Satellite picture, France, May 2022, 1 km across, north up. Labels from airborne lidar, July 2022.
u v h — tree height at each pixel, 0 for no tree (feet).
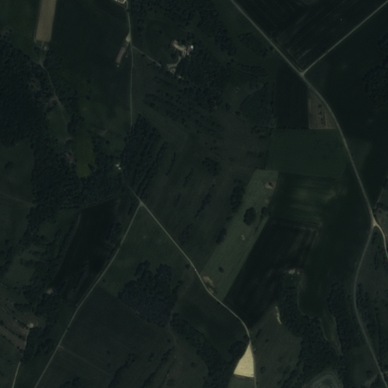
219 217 0
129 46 0
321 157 0
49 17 0
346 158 0
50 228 0
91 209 0
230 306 0
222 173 0
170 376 0
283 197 0
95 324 0
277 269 0
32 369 0
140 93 0
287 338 0
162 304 80
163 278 60
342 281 0
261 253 0
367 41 0
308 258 0
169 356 30
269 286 0
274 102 30
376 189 0
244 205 0
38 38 0
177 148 0
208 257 0
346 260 0
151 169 30
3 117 51
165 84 23
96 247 0
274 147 0
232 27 0
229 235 0
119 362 0
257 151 0
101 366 0
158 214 0
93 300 0
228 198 0
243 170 0
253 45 19
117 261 0
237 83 20
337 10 0
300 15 0
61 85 35
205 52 53
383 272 0
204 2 68
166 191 0
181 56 42
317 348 50
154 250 0
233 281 0
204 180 0
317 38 0
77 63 0
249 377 0
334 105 0
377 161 0
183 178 0
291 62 0
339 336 46
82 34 0
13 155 0
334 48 0
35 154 37
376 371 0
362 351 0
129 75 0
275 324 0
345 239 0
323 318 0
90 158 0
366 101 0
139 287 42
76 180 68
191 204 0
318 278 0
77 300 0
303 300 0
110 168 48
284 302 34
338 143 0
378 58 0
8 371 0
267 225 0
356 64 0
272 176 0
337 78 0
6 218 0
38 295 57
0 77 52
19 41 0
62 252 29
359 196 0
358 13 0
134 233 0
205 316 0
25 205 0
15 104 58
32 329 29
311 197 0
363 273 0
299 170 0
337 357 55
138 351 0
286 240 0
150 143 27
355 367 0
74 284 0
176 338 0
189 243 21
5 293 0
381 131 0
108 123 0
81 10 0
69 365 0
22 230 0
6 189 0
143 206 0
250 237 0
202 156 0
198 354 44
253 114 24
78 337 0
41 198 46
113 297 0
